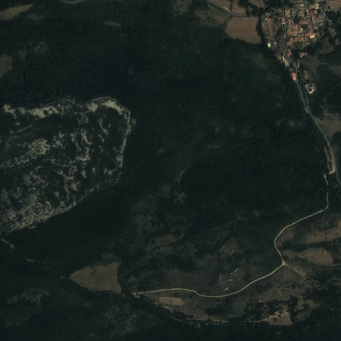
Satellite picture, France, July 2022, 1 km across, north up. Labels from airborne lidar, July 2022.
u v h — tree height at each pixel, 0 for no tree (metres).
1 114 7
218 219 6
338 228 0
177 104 12
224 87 8
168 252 0
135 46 6
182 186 7
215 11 0
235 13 0
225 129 9
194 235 8
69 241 11
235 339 15
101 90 12
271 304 9
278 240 0
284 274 0
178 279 0
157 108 11
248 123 10
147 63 8
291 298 7
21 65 10
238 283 0
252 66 8
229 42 12
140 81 15
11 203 6
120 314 7
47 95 11
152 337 14
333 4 0
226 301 8
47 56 8
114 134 6
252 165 8
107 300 10
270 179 8
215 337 9
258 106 12
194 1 10
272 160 6
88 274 0
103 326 6
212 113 11
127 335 12
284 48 0
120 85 10
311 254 0
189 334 15
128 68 16
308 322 9
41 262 6
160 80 6
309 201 8
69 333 12
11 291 13
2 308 13
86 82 7
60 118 6
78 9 6
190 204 10
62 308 9
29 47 11
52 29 11
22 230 11
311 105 6
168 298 0
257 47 7
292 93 14
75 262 11
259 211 6
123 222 13
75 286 9
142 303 8
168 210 8
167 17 12
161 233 9
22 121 7
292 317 9
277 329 7
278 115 12
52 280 10
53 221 12
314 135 12
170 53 8
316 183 9
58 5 15
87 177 6
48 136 5
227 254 0
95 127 6
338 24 8
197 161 8
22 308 8
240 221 9
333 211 6
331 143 7
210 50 7
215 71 7
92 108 0
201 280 0
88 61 7
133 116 12
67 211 13
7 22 11
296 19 10
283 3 21
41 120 6
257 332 9
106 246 7
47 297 10
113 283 0
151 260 7
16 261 17
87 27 8
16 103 11
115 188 15
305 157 7
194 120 9
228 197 7
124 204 10
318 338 11
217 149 8
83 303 6
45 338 13
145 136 12
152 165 13
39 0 11
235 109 18
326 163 6
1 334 10
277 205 7
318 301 6
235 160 10
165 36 8
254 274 0
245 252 6
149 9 12
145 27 7
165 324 12
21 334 9
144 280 7
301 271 0
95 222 13
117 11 6
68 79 7
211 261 0
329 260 0
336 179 13
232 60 6
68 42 9
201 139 6
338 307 10
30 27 7
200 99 15
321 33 12
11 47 9
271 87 8
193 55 9
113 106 0
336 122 0
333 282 6
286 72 10
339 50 7
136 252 6
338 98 12
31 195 0
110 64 12
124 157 15
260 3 0
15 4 12
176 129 10
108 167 6
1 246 10
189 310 0
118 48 13
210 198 10
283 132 16
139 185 8
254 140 17
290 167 9
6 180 11
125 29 10
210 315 9
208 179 8
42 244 11
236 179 9
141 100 14
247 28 0
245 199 9
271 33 0
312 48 11
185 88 12
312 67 0
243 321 8
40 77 13
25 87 9
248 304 9
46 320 15
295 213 10
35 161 6
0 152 7
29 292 6
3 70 0
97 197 17
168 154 10
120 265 12
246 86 8
